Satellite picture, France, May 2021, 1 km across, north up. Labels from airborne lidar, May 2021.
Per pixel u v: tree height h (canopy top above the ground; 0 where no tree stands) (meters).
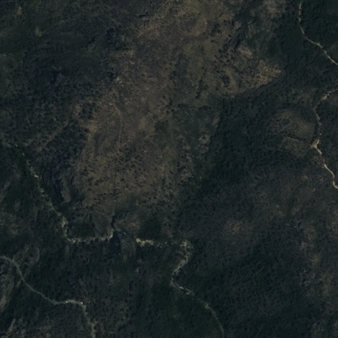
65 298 10
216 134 12
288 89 12
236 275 10
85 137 19
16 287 10
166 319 11
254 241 22
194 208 7
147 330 6
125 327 21
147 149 17
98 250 23
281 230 18
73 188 9
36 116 21
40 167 9
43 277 24
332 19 7
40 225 26
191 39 9
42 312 11
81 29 18
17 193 8
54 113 17
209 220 17
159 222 15
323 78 18
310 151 15
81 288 15
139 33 13
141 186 16
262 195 15
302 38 17
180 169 15
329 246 16
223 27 0
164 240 25
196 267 7
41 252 24
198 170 8
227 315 14
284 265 6
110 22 24
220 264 6
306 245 16
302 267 18
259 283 23
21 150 7
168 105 13
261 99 16
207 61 0
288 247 20
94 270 23
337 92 16
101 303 19
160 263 8
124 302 18
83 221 7
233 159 12
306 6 24
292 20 26
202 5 0
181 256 11
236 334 12
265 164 12
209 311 7
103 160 0
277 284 10
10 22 11
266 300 24
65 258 18
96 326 13
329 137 18
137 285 18
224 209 24
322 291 13
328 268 17
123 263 8
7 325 9
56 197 8
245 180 22
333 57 13
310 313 7
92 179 10
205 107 17
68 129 24
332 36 20
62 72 10
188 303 6
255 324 7
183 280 8
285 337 7
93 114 11
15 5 21
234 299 16
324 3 18
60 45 16
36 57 14
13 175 19
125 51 11
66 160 17
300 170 11
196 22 13
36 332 22
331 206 13
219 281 12
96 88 20
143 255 9
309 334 8
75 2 17
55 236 23
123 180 17
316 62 20
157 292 14
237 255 22
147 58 16
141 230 10
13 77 11
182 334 10
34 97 20
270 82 16
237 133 6
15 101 19
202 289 7
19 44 17
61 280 25
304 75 17
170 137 0
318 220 0
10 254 9
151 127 0
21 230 23
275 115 15
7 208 9
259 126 14
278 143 15
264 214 18
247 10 18
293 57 18
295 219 18
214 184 11
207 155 19
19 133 22
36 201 6
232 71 0
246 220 18
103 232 9
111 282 13
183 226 20
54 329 17
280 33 21
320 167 15
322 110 18
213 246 17
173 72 14
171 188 15
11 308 16
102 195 15
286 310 8
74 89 19
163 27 15
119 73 12
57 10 25
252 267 23
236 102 17
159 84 15
